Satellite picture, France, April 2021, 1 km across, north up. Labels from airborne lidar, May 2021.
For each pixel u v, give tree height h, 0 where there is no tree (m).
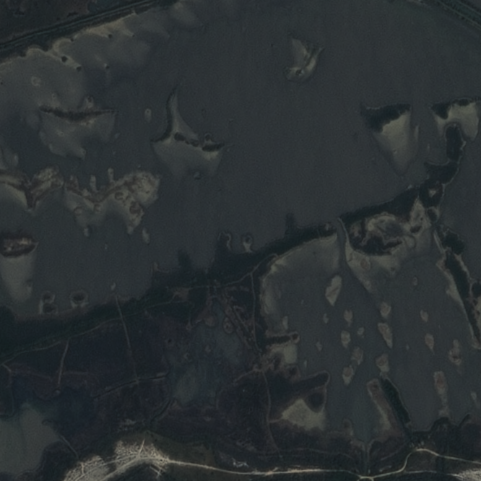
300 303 0
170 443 0
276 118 0
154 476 0
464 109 0
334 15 0
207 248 0
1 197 0
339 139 0
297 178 0
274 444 0
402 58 0
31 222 0
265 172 0
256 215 0
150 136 0
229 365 0
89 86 0
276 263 0
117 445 0
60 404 0
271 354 0
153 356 0
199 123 0
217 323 0
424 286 0
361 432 0
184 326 0
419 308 0
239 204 0
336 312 0
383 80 0
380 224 0
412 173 0
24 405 0
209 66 0
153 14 0
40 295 0
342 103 0
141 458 0
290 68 0
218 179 0
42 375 0
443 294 0
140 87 0
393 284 0
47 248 0
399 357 0
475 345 0
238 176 0
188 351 0
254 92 0
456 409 0
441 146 0
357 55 0
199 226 0
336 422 0
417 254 0
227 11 0
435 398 0
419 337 0
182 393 0
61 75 0
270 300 0
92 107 0
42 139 0
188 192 0
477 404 0
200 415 0
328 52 0
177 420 0
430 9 0
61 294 0
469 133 0
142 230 0
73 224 0
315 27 0
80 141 0
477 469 0
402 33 0
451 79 0
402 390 0
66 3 0
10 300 0
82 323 8
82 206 0
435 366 0
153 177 0
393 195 0
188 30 0
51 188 0
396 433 0
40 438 0
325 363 0
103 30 0
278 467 0
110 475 0
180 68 0
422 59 0
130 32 0
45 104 0
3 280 0
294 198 0
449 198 0
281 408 0
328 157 0
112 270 0
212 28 0
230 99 0
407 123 0
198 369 0
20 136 0
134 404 0
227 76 0
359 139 0
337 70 0
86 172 0
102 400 0
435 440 0
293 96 0
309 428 0
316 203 0
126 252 0
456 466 0
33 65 0
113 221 0
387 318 0
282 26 0
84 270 0
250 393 0
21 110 0
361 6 0
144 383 0
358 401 0
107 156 0
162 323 0
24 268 0
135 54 0
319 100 0
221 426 0
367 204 0
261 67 0
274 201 0
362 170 0
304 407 0
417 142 0
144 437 0
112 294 0
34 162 0
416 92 0
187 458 0
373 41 0
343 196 0
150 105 0
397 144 0
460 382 0
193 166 0
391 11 0
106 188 0
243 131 0
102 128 0
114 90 0
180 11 0
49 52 0
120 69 0
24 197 0
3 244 0
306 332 0
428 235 0
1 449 0
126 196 0
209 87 0
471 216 0
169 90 0
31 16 0
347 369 0
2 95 0
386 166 0
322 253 0
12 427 0
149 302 6
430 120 0
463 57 0
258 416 0
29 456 0
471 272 0
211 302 0
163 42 0
